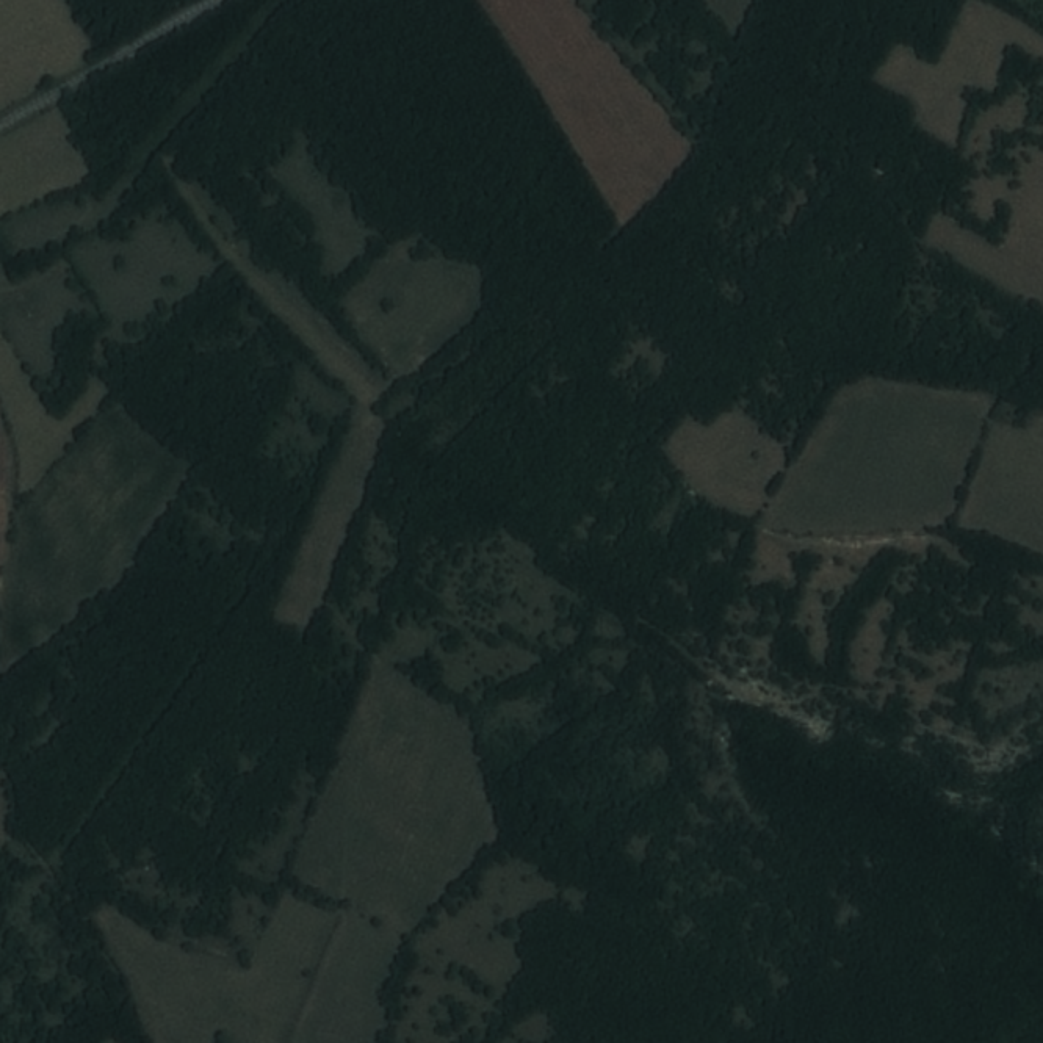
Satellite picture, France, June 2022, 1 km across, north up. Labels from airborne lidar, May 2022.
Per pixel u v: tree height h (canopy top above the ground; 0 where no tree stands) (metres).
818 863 8
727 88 12
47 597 0
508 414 9
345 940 0
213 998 0
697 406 10
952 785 9
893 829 14
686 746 7
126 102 10
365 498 10
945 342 12
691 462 0
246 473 14
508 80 14
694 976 12
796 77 11
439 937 0
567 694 13
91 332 13
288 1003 0
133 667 15
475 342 9
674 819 8
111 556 0
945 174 12
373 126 14
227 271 13
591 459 8
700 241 9
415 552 12
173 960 0
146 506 0
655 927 10
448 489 11
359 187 14
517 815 11
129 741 14
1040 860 6
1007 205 8
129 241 7
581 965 11
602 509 11
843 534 0
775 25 12
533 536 13
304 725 16
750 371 13
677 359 12
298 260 16
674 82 14
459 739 0
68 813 12
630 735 9
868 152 16
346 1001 0
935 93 0
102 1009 12
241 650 14
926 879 10
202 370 15
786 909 7
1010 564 11
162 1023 0
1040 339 15
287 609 0
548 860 13
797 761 15
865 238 11
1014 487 0
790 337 14
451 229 12
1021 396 16
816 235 15
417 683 14
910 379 10
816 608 0
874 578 11
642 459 9
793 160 13
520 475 10
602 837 9
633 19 14
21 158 0
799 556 12
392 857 0
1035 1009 8
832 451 0
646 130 0
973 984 9
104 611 15
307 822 10
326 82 12
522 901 0
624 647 8
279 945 0
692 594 8
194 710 13
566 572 11
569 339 13
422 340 0
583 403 15
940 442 0
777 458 0
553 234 12
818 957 7
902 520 0
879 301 14
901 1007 12
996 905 10
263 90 16
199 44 11
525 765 13
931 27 13
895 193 12
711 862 10
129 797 10
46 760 12
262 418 14
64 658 11
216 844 11
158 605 13
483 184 14
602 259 15
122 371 12
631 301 10
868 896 8
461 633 8
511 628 11
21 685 16
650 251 14
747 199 9
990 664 10
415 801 0
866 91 16
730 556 9
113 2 15
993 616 12
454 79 13
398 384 12
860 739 7
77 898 8
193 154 15
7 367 0
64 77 0
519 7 0
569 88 0
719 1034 11
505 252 12
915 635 9
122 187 0
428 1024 0
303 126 13
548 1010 11
